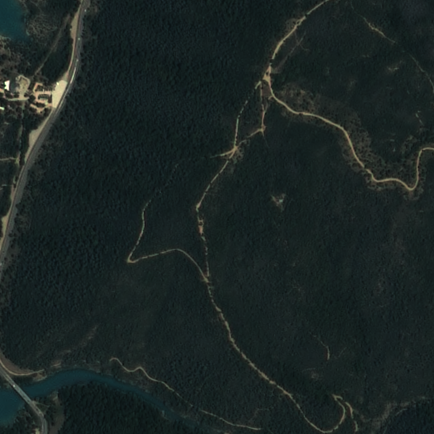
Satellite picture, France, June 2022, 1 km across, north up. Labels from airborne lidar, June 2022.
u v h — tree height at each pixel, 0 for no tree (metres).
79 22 0
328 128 6
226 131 10
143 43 6
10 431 9
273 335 7
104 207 9
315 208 10
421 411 16
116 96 7
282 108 5
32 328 7
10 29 0
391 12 11
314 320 13
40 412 0
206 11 8
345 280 6
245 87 7
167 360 6
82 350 13
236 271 6
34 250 14
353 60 12
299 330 7
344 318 11
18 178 7
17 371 0
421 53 7
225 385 13
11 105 24
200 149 14
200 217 9
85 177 10
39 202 10
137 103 18
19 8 0
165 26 13
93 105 11
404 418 12
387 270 10
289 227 6
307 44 10
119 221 6
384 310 8
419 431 13
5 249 0
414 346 9
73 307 14
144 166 10
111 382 0
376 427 0
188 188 9
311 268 9
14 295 8
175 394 10
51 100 0
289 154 7
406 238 7
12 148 10
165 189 7
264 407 7
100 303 8
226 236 13
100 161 19
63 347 10
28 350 7
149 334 6
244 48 9
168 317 6
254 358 7
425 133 10
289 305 7
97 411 13
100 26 11
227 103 11
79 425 15
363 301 7
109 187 17
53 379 0
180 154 14
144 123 16
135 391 0
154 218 6
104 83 12
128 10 17
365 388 7
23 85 0
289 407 9
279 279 7
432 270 6
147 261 7
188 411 8
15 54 10
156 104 16
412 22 10
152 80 19
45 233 8
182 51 16
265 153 6
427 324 7
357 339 7
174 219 8
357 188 11
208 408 10
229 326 7
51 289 19
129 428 17
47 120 0
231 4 13
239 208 9
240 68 8
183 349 5
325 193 6
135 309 7
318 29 5
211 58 12
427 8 9
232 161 9
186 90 8
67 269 18
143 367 0
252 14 15
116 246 13
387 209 7
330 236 10
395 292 7
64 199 15
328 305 12
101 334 6
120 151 17
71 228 21
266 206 7
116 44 9
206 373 11
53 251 14
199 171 9
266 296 8
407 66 7
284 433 9
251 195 12
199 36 11
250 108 10
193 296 7
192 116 13
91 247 19
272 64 8
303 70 7
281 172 7
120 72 12
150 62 12
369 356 14
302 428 9
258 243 12
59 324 6
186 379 13
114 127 14
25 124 11
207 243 9
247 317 9
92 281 8
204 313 6
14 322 7
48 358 8
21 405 0
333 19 7
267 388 10
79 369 0
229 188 7
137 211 8
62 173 11
